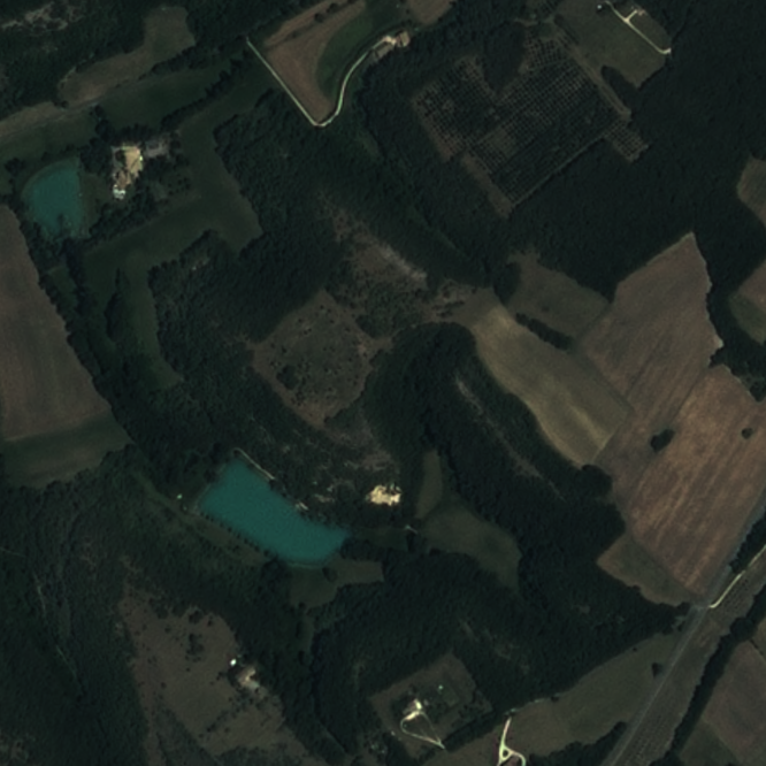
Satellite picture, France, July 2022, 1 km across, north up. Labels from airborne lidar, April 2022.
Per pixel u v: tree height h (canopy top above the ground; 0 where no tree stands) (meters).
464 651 9
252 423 6
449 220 16
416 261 8
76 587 8
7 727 10
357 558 22
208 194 0
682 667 0
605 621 11
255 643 20
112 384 11
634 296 0
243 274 18
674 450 0
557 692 10
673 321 0
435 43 6
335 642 14
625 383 0
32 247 7
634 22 0
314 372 0
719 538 0
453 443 21
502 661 8
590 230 16
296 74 0
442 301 0
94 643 10
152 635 0
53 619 7
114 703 9
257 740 0
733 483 0
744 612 0
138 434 10
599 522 12
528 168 9
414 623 17
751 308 0
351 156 9
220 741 0
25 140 0
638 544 0
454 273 11
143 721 7
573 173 16
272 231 7
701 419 0
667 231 16
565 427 0
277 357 0
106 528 12
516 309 0
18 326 0
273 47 0
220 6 10
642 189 18
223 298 14
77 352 9
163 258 0
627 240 14
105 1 8
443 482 0
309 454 7
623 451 0
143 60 0
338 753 11
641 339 0
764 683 0
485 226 10
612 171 17
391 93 10
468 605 9
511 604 22
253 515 0
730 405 0
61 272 0
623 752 0
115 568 9
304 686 8
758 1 17
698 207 13
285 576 19
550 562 14
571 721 0
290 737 0
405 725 0
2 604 17
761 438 0
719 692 0
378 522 22
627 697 0
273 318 13
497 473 13
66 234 9
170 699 0
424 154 8
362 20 0
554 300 0
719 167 15
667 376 0
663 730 0
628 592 13
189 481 16
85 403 0
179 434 20
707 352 0
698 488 0
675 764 13
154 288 14
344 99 0
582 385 0
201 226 0
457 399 8
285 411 9
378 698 0
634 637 15
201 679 0
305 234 14
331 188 7
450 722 0
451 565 22
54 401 0
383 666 7
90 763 17
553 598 14
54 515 11
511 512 21
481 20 14
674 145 14
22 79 10
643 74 0
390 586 10
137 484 12
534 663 8
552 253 10
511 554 0
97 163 11
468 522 0
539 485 8
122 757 13
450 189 12
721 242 15
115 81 0
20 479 0
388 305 7
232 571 9
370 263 0
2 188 0
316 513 17
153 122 0
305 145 14
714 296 13
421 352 8
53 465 0
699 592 0
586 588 11
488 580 21
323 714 22
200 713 0
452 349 19
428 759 7
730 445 0
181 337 6
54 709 14
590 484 15
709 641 0
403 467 7
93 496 13
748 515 0
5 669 8
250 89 0
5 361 0
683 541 0
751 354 16
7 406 0
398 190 17
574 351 0
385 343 0
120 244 0
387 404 16
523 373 0
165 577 14
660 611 12
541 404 0
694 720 11
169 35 0
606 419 0
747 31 18
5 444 0
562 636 20
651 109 17
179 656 0
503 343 0
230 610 18
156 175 6
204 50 16
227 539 0
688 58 17
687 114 14
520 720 0
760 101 19
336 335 0
